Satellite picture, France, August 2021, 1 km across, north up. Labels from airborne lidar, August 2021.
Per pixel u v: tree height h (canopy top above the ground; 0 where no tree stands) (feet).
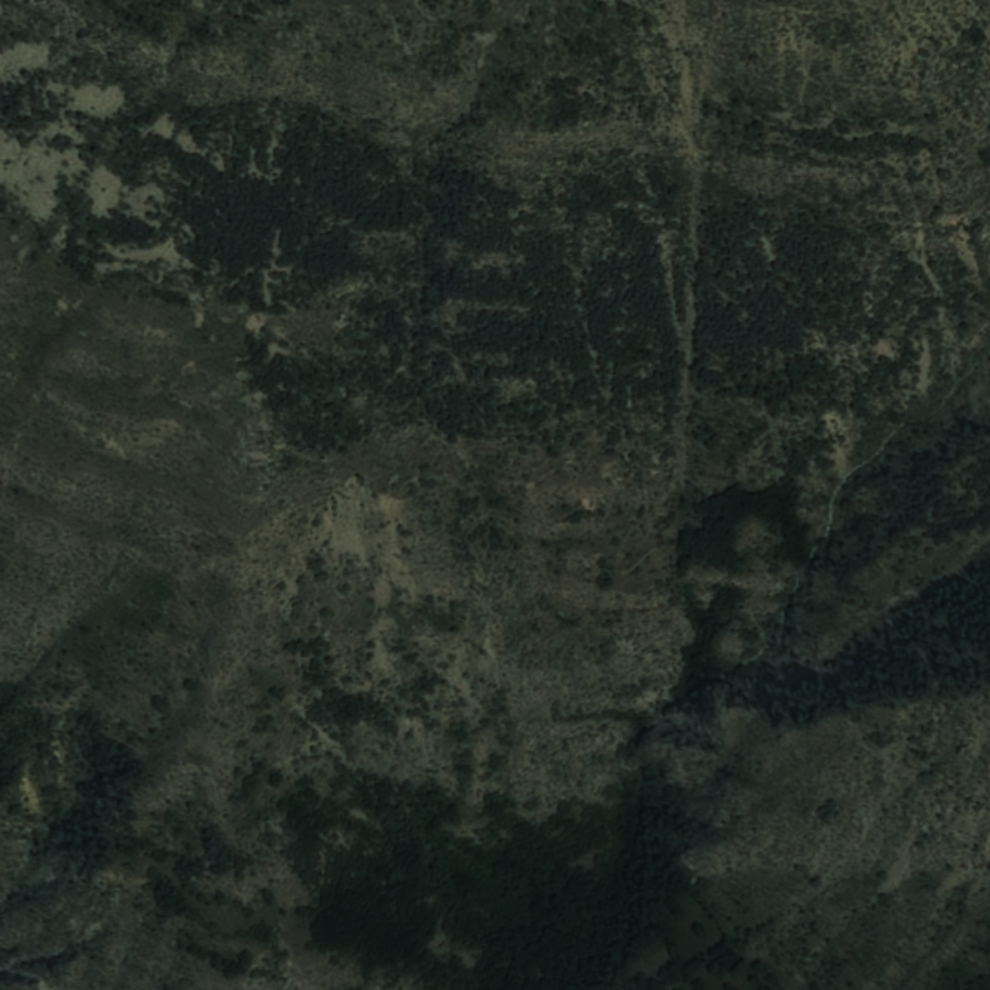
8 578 0
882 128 32
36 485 0
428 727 27
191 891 19
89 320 0
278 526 0
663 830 25
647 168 21
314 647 41
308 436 21
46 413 0
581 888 56
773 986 28
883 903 29
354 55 0
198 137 25
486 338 41
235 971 37
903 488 20
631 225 42
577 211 30
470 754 21
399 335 32
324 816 32
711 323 44
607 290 33
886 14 0
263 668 0
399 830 29
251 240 30
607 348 32
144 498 0
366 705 52
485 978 34
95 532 0
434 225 24
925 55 24
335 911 57
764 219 34
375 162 32
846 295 36
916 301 20
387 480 0
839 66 0
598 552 0
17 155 0
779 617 40
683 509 25
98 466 0
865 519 32
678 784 26
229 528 0
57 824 17
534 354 48
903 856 0
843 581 26
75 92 0
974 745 0
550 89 21
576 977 57
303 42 0
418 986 23
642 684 34
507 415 23
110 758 47
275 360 20
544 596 20
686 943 0
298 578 22
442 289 31
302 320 0
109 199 0
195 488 0
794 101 0
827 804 21
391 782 24
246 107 33
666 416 32
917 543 27
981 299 24
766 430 25
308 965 0
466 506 24
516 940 69
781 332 34
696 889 25
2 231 0
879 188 35
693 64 0
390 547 0
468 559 24
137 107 24
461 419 22
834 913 0
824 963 25
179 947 30
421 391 29
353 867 24
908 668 45
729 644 0
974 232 36
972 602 66
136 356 0
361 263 18
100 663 0
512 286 33
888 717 0
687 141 0
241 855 20
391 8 0
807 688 24
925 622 29
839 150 22
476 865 25
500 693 26
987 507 34
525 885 31
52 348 0
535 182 21
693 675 33
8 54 0
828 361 22
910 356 23
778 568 20
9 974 19
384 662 0
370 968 31
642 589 0
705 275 46
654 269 29
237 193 20
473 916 31
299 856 26
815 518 0
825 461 31
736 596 37
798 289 21
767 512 67
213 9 0
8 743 21
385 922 62
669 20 0
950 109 21
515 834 36
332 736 28
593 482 0
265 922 19
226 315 0
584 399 29
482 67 0
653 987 47
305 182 19
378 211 29
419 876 39
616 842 29
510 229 22
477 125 25
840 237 21
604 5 34
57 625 0
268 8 0
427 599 29
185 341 0
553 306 31
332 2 0
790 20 0
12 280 0
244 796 28
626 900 30
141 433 0
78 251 21
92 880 22
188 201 32
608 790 29
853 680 27
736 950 28
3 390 0
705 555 69
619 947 52
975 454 18
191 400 0
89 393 0
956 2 0
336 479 0
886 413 25
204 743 0
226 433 0
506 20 0
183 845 21
